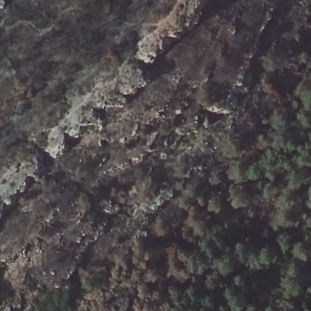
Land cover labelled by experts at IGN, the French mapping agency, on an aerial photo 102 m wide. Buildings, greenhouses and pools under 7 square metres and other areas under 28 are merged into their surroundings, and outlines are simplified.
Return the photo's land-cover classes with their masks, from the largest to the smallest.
<instances>
[{"label":"bare soil","instance_id":"1","mask_svg":"<svg viewBox=\"0 0 311 311\"><path fill-rule=\"evenodd\" d=\"M311 29V0H0V311H30L32 306H36L33 299L38 295L36 287L41 288V285L46 284L51 290L60 288L58 284L61 283V279H69L74 271L79 273L80 268L85 270L87 266L106 267L109 262L114 261V255L140 254L138 238L147 236L146 231H142L143 226L152 228L157 236H164L162 221L170 220L175 215L176 199L181 197L186 188L193 192L204 173H220L221 170H225L228 158L236 157L237 149L247 151L244 157L247 158L262 153V149L258 148L256 143L260 136L259 131L267 126L262 124V120L270 119L273 111H277L284 121L296 119L304 104L295 94L296 86L304 85L311 75V62L306 60V53L298 56L292 49L299 41V28Z\"/></svg>","mask_w":311,"mask_h":311},{"label":"coniferous trees","instance_id":"2","mask_svg":"<svg viewBox=\"0 0 311 311\"><path fill-rule=\"evenodd\" d=\"M298 56L306 53V60L311 62V29L299 28V41L292 49ZM295 94L304 104L296 119L284 121L277 111H273L270 119L262 120V124L267 126L259 131L260 136L256 143L258 148L262 149V153L247 158L244 157L247 151L237 149L236 157L228 158L225 170H221L220 173H204L193 192L186 188L181 197L176 199L175 215L170 220L162 221L164 236H157L152 228L143 226L142 231H146L147 236L138 238L140 254L114 255V261L109 262L106 267L87 266L85 270L80 268L79 273L74 271L69 279H61V283L58 284L60 288L51 290L46 284L41 285V288L36 287L38 295L33 299L36 306H32L30 311H311V75L304 85L296 86Z\"/></svg>","mask_w":311,"mask_h":311}]
</instances>
